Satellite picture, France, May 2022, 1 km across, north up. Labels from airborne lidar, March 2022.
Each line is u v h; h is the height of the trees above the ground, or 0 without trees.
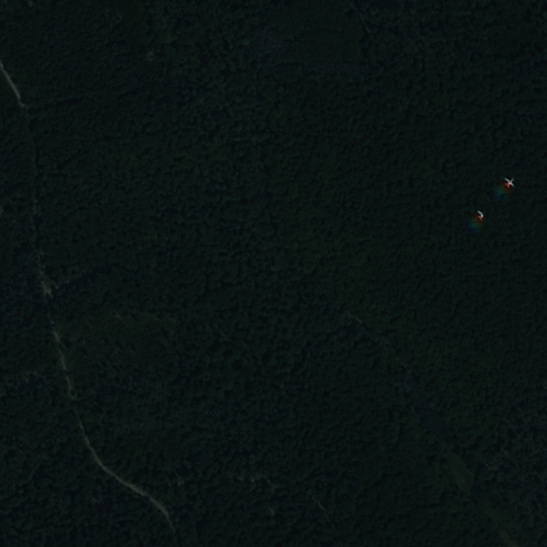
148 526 29
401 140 28
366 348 25
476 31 31
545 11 29
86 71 22
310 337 24
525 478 30
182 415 22
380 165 28
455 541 28
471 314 25
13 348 28
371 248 26
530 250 31
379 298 24
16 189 28
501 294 27
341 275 25
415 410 27
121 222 25
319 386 24
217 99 29
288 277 25
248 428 21
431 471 30
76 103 22
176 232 26
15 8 31
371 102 29
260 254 26
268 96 28
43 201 29
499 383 29
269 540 29
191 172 26
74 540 29
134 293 27
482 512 27
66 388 26
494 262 29
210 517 24
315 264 28
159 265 28
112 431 25
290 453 28
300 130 26
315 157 28
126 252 26
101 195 27
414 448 32
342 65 28
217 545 28
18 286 31
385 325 25
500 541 24
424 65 29
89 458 26
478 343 29
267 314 25
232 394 25
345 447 27
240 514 23
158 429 24
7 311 29
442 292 27
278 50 25
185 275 29
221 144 26
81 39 16
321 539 27
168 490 26
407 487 29
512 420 24
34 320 29
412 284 22
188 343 7
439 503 26
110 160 25
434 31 31
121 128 28
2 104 14
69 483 30
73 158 26
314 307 26
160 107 24
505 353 29
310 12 21
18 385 26
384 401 30
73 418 30
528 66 29
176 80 9
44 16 24
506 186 31
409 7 31
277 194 24
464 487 0
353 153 25
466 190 24
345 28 21
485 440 25
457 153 29
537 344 30
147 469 13
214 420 24
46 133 23
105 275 30
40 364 29
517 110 29
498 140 28
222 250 26
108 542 27
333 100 24
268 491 28
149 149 27
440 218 26
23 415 30
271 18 21
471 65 32
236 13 28
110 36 11
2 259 29
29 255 27
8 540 28
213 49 33
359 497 29
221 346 25
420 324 29
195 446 24
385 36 31
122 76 24
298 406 25
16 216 29
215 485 23
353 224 28
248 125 27
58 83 25
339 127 19
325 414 29
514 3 10
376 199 27
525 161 29
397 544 29
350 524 29
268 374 25
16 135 31
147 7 27
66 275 27
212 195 28
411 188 26
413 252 22
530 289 25
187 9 30
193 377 29
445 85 27
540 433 29
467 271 27
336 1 19
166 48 29
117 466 26
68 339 0
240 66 27
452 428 25
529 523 27
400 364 9
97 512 27
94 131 23
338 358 19
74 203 25
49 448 20
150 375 20
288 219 27
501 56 28
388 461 30
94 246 29
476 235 27
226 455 26
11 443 33
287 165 28
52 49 22
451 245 26
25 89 26
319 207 26
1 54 22
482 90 32
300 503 27
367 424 28
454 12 34
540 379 21
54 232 29
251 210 24
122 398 27
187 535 31
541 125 31
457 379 28
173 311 30
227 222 24
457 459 0
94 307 27
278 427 25
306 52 21
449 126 28
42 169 29
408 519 30
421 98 28
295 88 31
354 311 27
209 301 27
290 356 25
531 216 33
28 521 27
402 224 24
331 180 24
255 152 28
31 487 27
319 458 27
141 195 27
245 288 25
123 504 30
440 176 26
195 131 28
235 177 28
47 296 0
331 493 24
